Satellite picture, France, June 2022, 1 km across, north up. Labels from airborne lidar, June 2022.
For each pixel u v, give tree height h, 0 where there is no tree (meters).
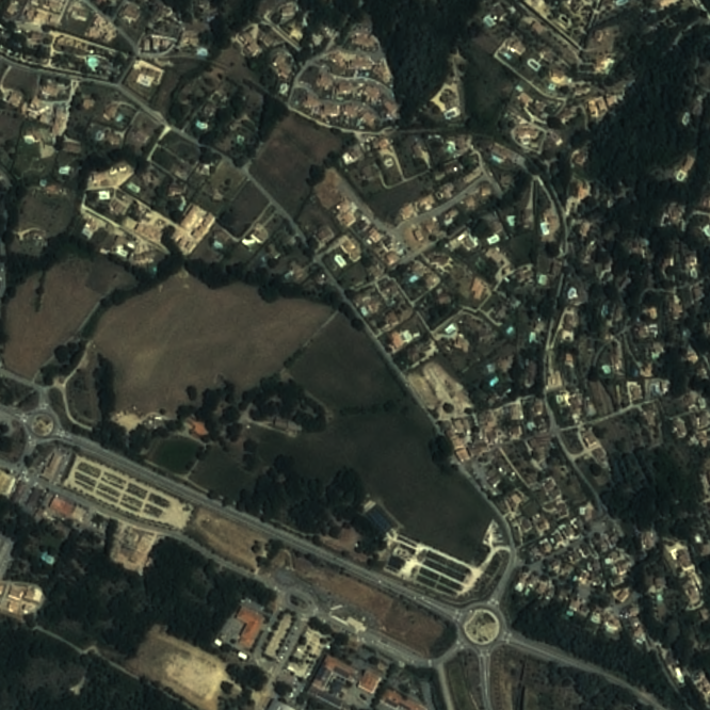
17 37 12
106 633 11
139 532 0
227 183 7
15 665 14
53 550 14
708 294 12
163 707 14
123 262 8
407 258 0
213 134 16
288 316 0
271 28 8
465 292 0
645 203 15
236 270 19
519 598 11
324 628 12
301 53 11
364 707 0
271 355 0
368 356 0
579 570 8
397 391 0
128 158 14
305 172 0
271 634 7
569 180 15
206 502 0
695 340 14
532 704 0
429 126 11
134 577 15
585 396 7
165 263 12
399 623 0
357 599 0
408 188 0
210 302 0
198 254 0
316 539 10
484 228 14
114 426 14
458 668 0
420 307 8
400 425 0
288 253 11
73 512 0
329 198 0
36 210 0
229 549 0
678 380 15
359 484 12
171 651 0
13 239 14
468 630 0
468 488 0
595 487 0
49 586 7
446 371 0
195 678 0
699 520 6
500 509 0
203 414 15
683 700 10
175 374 0
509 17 7
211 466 0
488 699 0
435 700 7
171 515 0
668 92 17
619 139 13
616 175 15
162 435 9
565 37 7
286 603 0
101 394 14
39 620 7
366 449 0
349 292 13
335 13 12
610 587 10
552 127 13
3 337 15
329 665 0
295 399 12
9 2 7
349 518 12
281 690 14
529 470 8
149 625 14
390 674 10
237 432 17
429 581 0
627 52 6
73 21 0
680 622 8
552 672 12
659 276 13
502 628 0
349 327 0
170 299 0
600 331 8
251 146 7
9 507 13
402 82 19
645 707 16
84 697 8
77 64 8
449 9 15
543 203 14
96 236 0
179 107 11
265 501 14
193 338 0
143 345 0
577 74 9
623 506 10
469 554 0
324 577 0
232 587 16
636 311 17
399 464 0
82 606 14
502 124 11
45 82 10
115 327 0
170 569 17
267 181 0
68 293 0
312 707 8
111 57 9
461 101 0
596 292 9
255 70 15
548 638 13
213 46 7
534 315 20
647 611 11
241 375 0
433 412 8
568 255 6
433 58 25
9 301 13
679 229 10
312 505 14
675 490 9
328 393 0
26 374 0
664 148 10
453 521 0
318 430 17
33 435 0
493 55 5
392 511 0
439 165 7
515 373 14
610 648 19
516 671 7
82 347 9
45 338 0
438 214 0
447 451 19
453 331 0
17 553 12
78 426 10
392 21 20
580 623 11
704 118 14
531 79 0
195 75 7
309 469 0
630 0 7
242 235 7
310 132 0
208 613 13
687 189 14
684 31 6
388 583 0
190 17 11
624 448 8
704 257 12
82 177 12
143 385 0
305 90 0
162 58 0
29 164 0
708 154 9
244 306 0
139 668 0
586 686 21
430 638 0
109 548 12
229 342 0
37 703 9
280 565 0
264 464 0
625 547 13
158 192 12
